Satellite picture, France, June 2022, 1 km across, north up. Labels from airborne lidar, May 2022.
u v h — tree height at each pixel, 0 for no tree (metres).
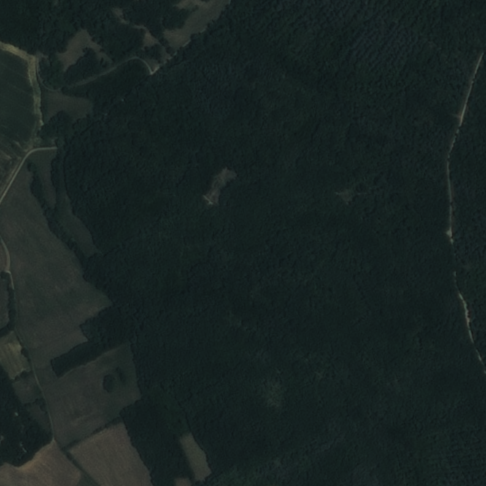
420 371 16
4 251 0
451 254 16
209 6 0
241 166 15
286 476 17
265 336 22
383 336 19
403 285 14
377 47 10
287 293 14
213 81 20
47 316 0
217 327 18
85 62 22
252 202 13
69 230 0
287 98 19
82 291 0
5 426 16
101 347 11
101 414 0
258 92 19
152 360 23
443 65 18
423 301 12
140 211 12
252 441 13
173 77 17
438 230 11
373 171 19
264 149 6
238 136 14
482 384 12
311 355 17
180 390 13
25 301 0
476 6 16
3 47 0
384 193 14
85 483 0
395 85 7
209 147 20
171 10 18
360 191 18
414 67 16
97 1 21
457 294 13
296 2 12
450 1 17
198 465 0
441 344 16
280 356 19
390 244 10
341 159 23
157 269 16
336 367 19
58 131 11
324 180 16
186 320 18
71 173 12
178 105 14
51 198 0
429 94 17
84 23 24
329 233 20
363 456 11
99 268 23
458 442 15
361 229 11
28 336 0
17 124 0
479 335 18
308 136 7
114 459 0
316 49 16
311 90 19
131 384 0
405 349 16
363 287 14
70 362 12
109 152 15
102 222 14
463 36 10
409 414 21
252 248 20
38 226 0
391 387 18
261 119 18
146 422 14
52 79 11
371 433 14
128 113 14
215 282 23
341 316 10
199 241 20
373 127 19
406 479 11
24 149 0
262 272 21
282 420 14
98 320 13
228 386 19
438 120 14
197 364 14
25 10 9
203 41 5
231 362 8
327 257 20
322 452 15
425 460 5
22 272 0
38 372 0
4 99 0
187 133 14
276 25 17
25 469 0
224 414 20
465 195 12
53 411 0
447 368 16
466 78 18
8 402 18
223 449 20
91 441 0
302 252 26
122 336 12
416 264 9
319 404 16
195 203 11
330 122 20
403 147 15
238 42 13
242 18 9
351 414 19
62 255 0
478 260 9
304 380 18
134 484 0
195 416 10
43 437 15
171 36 0
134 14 21
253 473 6
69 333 0
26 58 0
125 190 16
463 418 12
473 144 13
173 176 16
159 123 14
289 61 7
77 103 0
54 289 0
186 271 7
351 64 11
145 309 25
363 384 20
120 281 19
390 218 14
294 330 27
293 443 16
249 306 18
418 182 13
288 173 9
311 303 12
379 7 11
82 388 0
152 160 19
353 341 17
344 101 18
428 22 9
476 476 15
